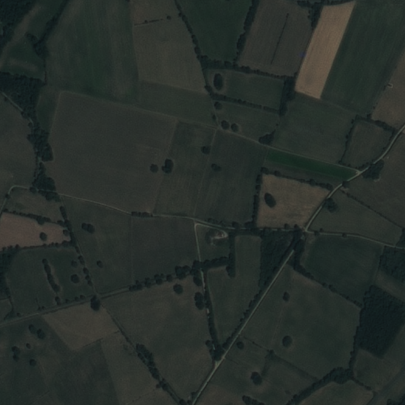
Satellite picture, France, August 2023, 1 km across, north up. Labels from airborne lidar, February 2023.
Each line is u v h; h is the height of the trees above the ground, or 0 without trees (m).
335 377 13
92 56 0
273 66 0
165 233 0
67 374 0
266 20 0
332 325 0
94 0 0
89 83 0
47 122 0
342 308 0
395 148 0
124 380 0
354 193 0
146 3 0
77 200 0
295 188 0
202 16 0
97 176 0
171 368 0
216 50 0
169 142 0
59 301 13
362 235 0
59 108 0
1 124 0
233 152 0
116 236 0
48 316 0
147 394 0
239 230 10
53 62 0
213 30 0
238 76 0
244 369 0
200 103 0
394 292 0
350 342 0
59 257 0
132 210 0
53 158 12
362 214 0
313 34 0
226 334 0
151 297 0
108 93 0
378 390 0
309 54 0
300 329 0
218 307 0
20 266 0
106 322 0
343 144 0
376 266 0
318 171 0
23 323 0
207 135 0
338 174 0
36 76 0
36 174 8
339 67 0
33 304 0
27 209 0
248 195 0
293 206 0
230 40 0
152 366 13
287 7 0
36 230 0
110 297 0
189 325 0
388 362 0
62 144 0
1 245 0
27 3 23
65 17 0
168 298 0
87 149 0
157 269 0
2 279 13
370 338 18
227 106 0
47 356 0
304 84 0
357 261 0
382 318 16
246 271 0
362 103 0
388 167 0
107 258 0
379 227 0
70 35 0
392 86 0
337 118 0
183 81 0
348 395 0
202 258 0
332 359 0
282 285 0
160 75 0
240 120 0
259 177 9
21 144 0
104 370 0
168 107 0
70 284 0
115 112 0
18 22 20
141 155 0
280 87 0
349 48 0
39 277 0
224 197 0
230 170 0
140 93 0
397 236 0
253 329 0
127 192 0
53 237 0
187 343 0
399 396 0
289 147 0
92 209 0
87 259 0
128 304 0
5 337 0
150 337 0
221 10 0
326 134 0
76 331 0
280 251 6
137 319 0
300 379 0
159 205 0
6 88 14
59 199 9
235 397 0
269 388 0
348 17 0
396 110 0
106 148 0
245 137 0
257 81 0
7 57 0
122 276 0
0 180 0
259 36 0
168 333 0
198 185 0
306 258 0
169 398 0
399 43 0
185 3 0
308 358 0
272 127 0
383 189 0
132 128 0
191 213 0
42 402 0
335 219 0
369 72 0
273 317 0
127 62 0
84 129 0
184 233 0
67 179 0
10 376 0
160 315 0
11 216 0
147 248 0
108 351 0
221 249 0
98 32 0
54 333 0
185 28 0
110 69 0
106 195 0
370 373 0
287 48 0
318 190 0
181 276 14
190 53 0
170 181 0
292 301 0
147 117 0
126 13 0
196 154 0
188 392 0
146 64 0
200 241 0
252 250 0
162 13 0
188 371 0
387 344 16
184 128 0
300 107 0
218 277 0
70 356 0
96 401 0
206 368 0
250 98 0
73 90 0
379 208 0
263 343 0
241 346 13
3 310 0
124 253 0
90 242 0
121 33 0
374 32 0
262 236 9
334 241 0
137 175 0
